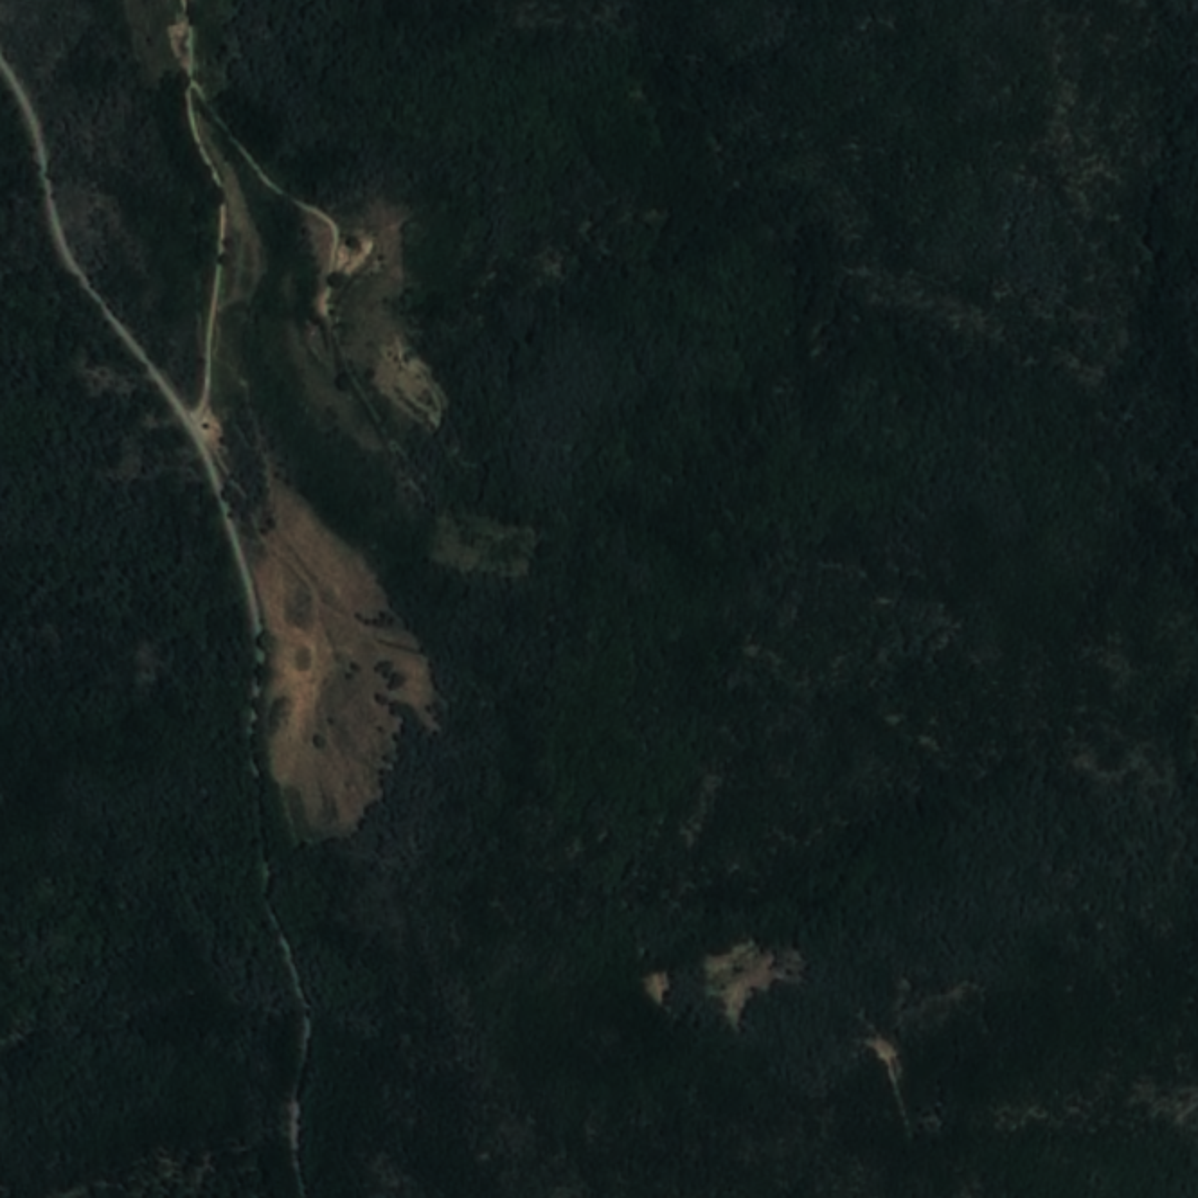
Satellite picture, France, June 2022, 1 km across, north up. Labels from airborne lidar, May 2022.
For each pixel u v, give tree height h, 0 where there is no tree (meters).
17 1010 11
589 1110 8
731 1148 9
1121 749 7
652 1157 9
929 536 11
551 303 12
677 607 8
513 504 11
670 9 17
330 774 0
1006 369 13
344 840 7
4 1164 13
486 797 13
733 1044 14
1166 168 18
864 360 17
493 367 16
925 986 11
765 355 13
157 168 9
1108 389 11
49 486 16
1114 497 17
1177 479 16
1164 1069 6
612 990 17
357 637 0
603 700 14
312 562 0
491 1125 9
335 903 8
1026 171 7
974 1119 14
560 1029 11
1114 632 9
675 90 20
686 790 9
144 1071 14
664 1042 21
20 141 7
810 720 11
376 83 17
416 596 10
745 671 13
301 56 19
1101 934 13
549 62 12
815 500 14
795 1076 12
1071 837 11
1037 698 6
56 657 11
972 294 12
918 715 16
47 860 13
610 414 13
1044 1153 13
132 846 19
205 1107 12
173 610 9
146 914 16
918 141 10
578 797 15
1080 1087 7
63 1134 11
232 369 0
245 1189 15
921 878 12
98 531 17
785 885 18
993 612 9
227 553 8
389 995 14
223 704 14
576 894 16
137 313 6
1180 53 18
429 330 7
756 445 17
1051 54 8
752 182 14
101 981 13
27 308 16
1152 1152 9
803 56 13
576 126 18
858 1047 10
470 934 12
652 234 17
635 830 9
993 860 10
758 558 13
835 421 14
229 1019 14
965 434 14
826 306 16
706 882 17
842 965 15
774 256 14
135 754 16
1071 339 10
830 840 17
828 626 11
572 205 14
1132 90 10
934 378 16
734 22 14
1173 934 9
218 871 15
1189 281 9
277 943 9
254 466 7
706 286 16
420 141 13
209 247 9
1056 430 14
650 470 15
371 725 0
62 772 14
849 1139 11
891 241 8
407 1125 9
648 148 13
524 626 11
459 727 11
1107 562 11
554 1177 7
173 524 11
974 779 18
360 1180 9
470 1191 8
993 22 10
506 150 14
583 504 12
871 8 14
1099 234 14
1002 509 17
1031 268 15
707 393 13
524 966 12
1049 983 11
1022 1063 15
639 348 13
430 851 12
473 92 14
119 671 14
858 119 12
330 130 14
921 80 12
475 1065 10
